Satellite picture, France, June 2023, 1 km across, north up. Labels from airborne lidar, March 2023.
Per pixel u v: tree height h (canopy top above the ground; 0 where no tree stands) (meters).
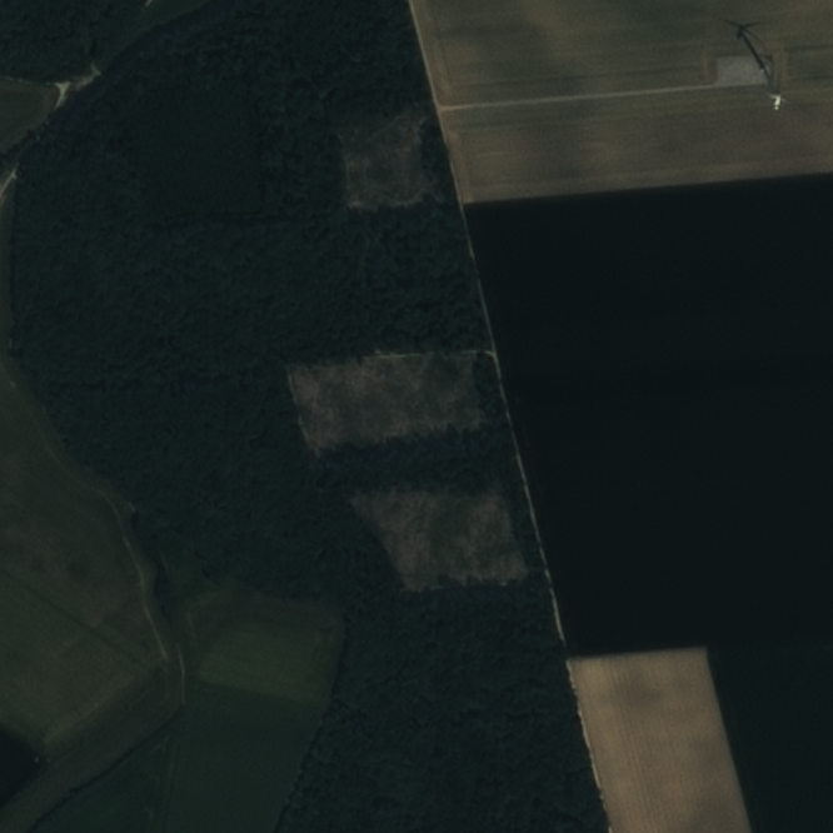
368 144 0
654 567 0
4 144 0
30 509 0
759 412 0
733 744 0
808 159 0
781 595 0
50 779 0
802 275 0
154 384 24
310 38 7
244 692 0
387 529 0
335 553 20
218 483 21
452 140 0
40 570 0
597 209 0
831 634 0
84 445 18
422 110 0
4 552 0
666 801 0
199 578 0
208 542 16
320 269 21
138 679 0
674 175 0
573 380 0
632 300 0
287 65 23
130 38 0
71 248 23
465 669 22
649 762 0
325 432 0
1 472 0
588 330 0
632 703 0
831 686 0
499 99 0
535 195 0
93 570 0
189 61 20
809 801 0
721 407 0
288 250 23
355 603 12
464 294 22
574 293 0
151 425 22
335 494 22
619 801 0
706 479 0
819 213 0
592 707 0
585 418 0
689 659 0
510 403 0
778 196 0
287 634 0
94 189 23
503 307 0
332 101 25
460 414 0
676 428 0
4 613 0
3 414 0
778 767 0
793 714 0
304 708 0
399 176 0
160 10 0
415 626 22
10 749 0
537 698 20
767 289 0
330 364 0
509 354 0
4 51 18
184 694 0
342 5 6
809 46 0
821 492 0
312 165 25
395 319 20
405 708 22
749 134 0
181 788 0
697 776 0
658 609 0
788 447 0
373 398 0
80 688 0
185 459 22
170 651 0
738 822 0
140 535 14
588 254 0
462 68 0
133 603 0
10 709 0
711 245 0
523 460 0
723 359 0
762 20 0
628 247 0
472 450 25
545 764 24
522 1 0
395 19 15
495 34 0
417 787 22
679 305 0
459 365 0
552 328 0
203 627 0
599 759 0
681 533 0
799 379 0
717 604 0
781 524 0
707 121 0
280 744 0
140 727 0
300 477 21
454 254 20
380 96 21
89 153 22
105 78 16
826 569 0
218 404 21
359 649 16
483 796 22
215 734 0
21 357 16
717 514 0
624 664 0
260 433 21
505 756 23
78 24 17
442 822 23
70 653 0
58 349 21
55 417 15
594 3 0
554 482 0
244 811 0
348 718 16
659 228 0
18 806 0
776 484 0
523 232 0
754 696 0
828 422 0
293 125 23
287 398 22
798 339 0
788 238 0
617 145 0
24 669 0
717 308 0
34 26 23
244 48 16
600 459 0
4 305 0
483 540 0
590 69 0
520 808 25
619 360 0
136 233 21
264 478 22
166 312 28
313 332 24
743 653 0
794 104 0
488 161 0
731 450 0
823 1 0
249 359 17
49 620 0
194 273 21
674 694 0
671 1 0
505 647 23
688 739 0
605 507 0
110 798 0
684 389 0
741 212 0
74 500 0
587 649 0
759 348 0
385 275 23
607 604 0
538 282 0
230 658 0
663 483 0
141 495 19
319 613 0
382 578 22
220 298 21
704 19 0
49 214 21
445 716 25
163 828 0
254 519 17
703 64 0
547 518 0
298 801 11
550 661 23
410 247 21
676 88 0
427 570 0
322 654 0
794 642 0
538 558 19
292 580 18
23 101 0
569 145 0
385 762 20
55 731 0
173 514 20
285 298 24
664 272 0
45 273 22
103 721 0
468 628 22
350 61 22
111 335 24
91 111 18
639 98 0
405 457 22
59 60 20
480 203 0
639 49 0
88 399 21
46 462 0
